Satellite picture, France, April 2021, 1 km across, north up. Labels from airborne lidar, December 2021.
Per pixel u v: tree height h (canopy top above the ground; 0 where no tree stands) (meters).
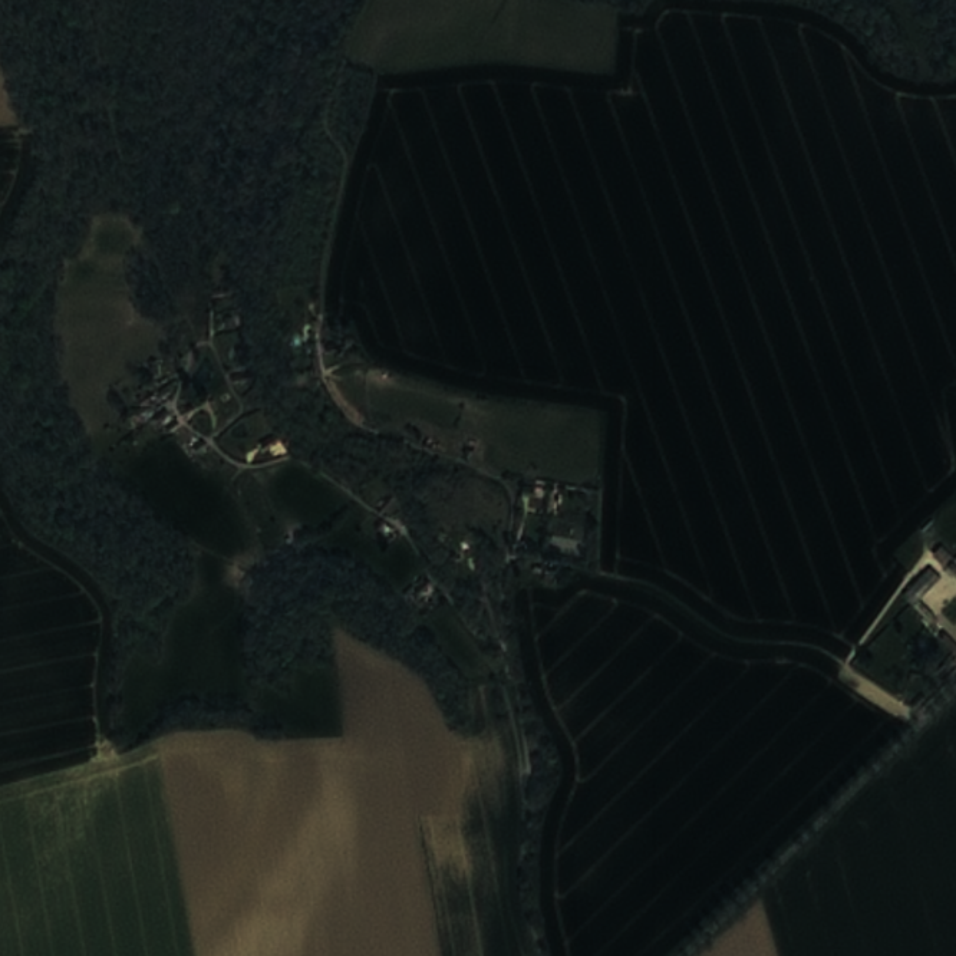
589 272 0
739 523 0
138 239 0
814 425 0
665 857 0
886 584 0
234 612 0
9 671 0
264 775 0
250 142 8
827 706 0
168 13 18
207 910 0
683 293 0
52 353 27
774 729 0
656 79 0
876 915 0
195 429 6
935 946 0
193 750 0
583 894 0
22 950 0
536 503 0
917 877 0
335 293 0
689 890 0
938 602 0
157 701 0
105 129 31
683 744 0
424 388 0
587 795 0
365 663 0
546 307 0
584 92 0
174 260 26
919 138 0
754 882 16
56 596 0
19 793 0
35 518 21
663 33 0
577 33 0
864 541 0
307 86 23
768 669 0
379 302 0
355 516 0
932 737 0
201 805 0
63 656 0
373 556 0
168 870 0
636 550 0
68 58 32
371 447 14
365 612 21
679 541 0
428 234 0
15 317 22
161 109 17
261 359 13
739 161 0
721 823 0
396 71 0
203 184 26
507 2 0
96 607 0
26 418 21
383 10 0
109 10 9
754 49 0
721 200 0
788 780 0
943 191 0
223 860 0
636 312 0
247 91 27
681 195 0
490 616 16
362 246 0
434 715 0
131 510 6
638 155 0
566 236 0
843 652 0
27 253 24
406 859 0
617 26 0
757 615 0
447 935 0
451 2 0
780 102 0
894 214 0
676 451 0
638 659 0
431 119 0
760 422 0
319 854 0
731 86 0
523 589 0
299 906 0
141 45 9
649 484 0
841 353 0
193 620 0
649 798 0
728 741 0
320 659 14
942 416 0
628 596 0
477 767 0
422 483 13
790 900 0
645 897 0
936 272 0
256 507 0
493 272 0
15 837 0
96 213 7
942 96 0
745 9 0
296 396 13
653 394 0
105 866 0
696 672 0
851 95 0
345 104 14
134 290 25
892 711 0
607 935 0
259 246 11
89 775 0
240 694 0
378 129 0
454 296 0
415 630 7
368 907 0
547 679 0
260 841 0
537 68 0
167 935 0
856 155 0
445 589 18
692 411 0
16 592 0
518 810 0
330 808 0
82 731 0
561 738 0
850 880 0
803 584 0
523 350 0
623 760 0
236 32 26
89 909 0
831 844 0
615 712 0
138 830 0
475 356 0
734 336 0
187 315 0
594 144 0
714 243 0
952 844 0
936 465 0
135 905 0
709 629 0
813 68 0
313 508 0
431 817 0
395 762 0
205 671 0
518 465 0
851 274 0
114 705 14
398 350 0
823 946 0
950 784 0
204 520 0
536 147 0
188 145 8
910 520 0
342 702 0
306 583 7
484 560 21
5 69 17
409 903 0
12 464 22
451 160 0
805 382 0
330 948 0
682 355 0
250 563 0
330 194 14
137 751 0
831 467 0
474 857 0
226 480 0
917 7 24
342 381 0
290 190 10
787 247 0
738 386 0
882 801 0
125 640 15
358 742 0
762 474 0
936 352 0
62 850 0
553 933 0
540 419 0
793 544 0
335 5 16
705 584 0
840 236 0
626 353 0
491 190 0
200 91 16
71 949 0
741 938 0
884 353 0
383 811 0
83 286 0
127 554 26
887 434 0
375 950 0
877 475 0
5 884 0
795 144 0
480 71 0
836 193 0
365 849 0
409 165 0
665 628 0
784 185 0
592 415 0
